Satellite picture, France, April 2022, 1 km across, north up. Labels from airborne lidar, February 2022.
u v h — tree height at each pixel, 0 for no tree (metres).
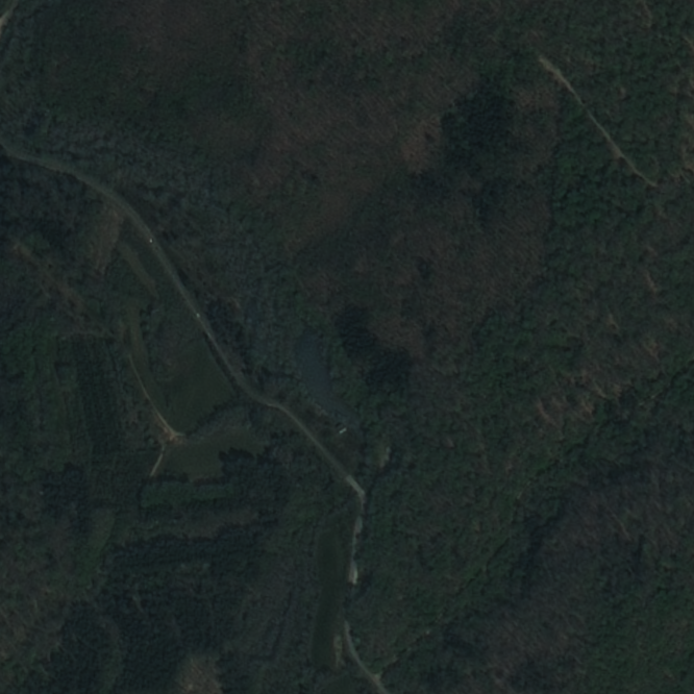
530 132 13
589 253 27
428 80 24
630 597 19
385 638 22
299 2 22
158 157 23
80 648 20
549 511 29
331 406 0
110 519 30
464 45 19
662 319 31
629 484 27
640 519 27
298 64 17
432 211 14
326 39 24
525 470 24
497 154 17
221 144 12
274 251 22
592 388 29
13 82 30
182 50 13
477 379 23
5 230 23
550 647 24
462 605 26
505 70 15
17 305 28
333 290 14
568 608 23
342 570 0
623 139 27
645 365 28
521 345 11
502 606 12
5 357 28
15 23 16
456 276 13
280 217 11
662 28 26
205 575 17
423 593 18
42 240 24
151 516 21
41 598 33
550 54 10
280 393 24
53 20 12
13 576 32
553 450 23
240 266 14
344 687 0
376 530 17
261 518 7
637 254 26
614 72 23
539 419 26
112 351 26
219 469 0
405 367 21
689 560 27
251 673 19
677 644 23
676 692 23
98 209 25
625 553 28
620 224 28
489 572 9
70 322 25
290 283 27
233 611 24
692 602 25
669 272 28
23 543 12
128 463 7
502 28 24
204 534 14
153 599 35
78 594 19
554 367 27
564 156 23
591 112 21
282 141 22
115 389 5
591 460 18
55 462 25
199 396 0
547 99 14
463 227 14
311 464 19
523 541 25
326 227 13
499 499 24
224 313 29
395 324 12
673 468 30
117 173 7
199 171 8
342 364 19
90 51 15
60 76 13
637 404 14
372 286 15
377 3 21
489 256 16
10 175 23
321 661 0
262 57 21
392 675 20
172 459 0
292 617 24
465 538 23
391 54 22
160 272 9
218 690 30
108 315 24
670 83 24
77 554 21
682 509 27
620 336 17
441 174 15
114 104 17
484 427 21
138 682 29
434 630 24
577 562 22
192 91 14
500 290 14
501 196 14
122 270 7
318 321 20
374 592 19
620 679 19
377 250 13
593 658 22
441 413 28
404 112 23
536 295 24
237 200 12
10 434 30
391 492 21
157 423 0
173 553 31
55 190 20
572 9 19
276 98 23
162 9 11
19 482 30
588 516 24
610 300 25
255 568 29
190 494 27
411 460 25
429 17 24
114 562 27
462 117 19
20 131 23
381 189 15
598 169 25
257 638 18
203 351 0
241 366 23
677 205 12
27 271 27
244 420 27
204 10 13
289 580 26
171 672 27
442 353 20
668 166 28
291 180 20
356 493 0
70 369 21
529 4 21
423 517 21
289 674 23
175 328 21
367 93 26
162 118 16
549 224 11
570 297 23
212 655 30
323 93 25
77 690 25
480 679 21
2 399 34
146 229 0
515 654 24
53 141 15
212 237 18
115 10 14
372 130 27
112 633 21
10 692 28
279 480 28
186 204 22
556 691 23
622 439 17
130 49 12
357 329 21
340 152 22
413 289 14
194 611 24
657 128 27
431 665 18
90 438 9
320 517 23
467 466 26
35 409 13
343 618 0
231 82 16
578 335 27
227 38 13
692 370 9
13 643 32
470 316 12
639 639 22
